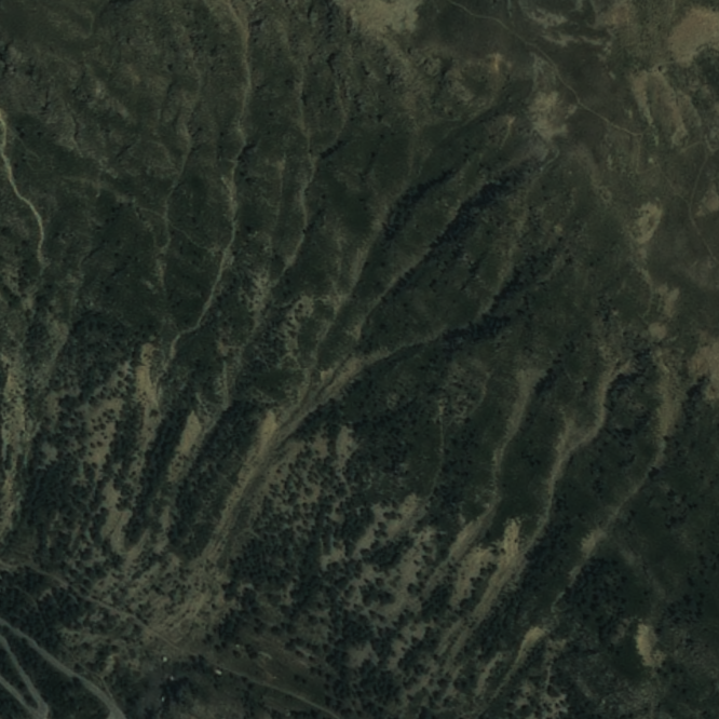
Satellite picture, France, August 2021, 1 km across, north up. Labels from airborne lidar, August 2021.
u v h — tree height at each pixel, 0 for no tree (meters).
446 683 15
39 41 0
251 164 8
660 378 0
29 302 0
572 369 0
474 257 0
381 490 0
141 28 0
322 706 0
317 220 0
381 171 0
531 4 0
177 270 0
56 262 0
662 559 0
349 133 0
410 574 0
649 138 0
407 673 12
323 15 0
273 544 7
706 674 0
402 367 0
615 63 0
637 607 0
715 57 0
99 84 0
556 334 0
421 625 0
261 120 0
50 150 0
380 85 0
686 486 0
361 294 0
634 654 0
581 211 0
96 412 0
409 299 0
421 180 0
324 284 0
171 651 0
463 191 0
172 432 18
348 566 14
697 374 0
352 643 12
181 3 0
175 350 0
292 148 0
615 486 0
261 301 0
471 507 0
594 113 0
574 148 0
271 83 0
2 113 0
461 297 0
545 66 0
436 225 0
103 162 0
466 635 0
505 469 0
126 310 0
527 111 0
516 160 0
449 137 0
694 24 0
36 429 0
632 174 0
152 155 0
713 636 0
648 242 0
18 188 0
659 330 0
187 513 8
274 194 0
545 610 0
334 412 10
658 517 0
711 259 0
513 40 0
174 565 0
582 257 0
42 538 9
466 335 8
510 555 0
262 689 0
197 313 0
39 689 7
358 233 0
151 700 0
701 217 0
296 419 0
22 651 14
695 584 15
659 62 0
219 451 7
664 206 0
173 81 0
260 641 0
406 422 7
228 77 0
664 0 0
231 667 0
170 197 0
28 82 0
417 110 0
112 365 8
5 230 15
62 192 0
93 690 0
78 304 0
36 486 15
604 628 14
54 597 9
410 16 0
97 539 18
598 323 0
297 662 0
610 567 15
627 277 0
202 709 0
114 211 12
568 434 0
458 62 0
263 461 0
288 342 0
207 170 0
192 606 0
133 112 0
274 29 0
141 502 9
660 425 0
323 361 0
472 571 0
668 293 0
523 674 13
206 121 0
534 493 0
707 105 0
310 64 0
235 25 0
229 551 0
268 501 7
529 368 0
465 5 0
